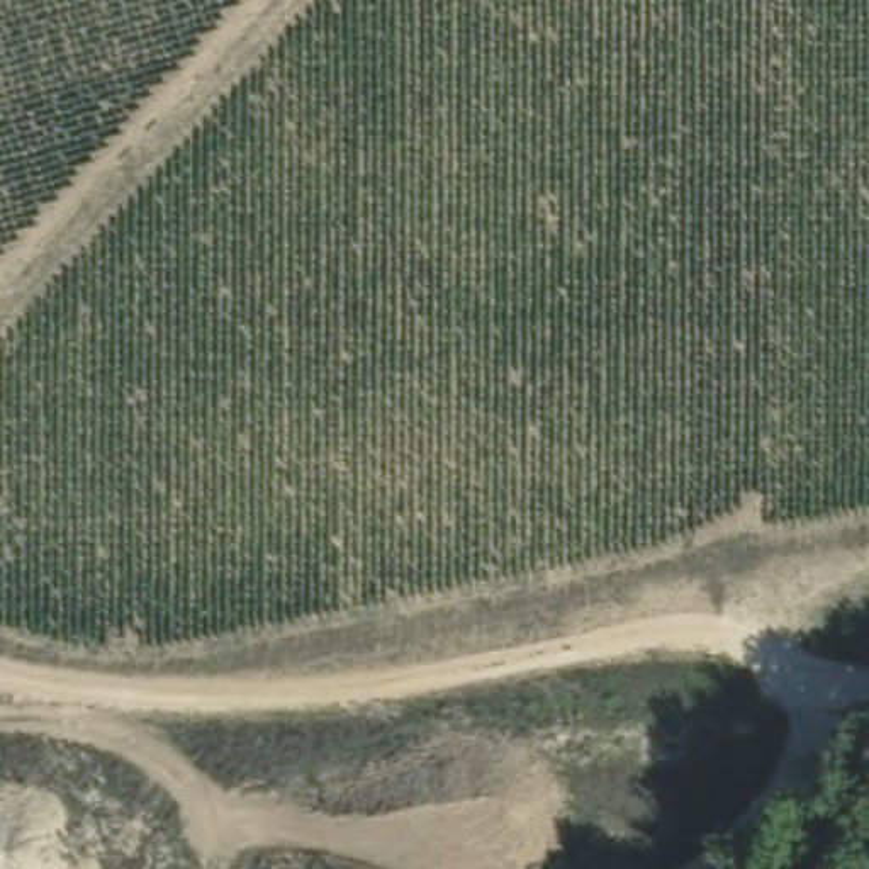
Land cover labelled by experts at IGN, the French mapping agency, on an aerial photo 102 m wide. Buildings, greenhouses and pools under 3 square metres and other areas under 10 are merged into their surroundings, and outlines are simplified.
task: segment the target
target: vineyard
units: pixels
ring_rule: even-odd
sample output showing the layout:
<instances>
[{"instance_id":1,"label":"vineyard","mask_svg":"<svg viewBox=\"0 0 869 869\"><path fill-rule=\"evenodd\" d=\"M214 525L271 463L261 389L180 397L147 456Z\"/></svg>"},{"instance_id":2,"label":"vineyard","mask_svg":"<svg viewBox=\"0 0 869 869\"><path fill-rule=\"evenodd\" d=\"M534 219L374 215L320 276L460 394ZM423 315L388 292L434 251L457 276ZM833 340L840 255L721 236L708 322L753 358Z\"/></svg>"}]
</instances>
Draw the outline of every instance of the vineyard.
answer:
<instances>
[{"instance_id":1,"label":"vineyard","mask_svg":"<svg viewBox=\"0 0 869 869\"><path fill-rule=\"evenodd\" d=\"M143 105L143 98L149 98L149 92L166 75L173 75L197 51L200 37L217 27L221 14L231 10L238 0L0 0L0 255L7 244L17 241L24 227L34 224L44 204L51 204L75 180L78 166L85 166L98 149L105 149L112 136L119 136L119 129Z\"/></svg>"},{"instance_id":2,"label":"vineyard","mask_svg":"<svg viewBox=\"0 0 869 869\"><path fill-rule=\"evenodd\" d=\"M34 635L61 638L71 645L105 645L112 635L129 631L146 645L166 645L217 631L238 631L251 625L282 625L316 611L353 611L356 604L387 601L387 591L411 597L421 591L448 591L465 580L502 580L513 574L536 570L540 560L547 560L550 567L563 567L604 553L659 547L669 536L692 533L713 523L716 516L733 513L747 492L760 496L764 523L818 519L842 509L869 506L869 0L312 0L306 14L295 17L295 24L289 24L278 34L278 41L265 51L261 64L248 71L214 105L204 126L193 129L193 136L166 156L166 163L146 180L146 187L139 187L139 193L98 231L98 238L81 255L75 255L71 265L61 268L61 275L44 289L44 295L37 295L17 319L17 326L7 329L7 336L0 339L0 625L27 628Z\"/></svg>"}]
</instances>

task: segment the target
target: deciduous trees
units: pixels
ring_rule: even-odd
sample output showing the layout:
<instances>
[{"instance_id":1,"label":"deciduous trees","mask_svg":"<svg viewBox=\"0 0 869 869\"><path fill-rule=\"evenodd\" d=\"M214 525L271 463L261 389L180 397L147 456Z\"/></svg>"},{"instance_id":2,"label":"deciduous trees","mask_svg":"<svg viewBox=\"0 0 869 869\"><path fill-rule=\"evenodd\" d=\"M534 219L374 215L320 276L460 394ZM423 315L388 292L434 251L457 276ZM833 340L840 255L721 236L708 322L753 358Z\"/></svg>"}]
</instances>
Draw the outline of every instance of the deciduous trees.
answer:
<instances>
[{"instance_id":1,"label":"deciduous trees","mask_svg":"<svg viewBox=\"0 0 869 869\"><path fill-rule=\"evenodd\" d=\"M767 808L760 808L754 821L737 825L730 821L730 815L706 818L706 825L696 835L703 842L703 869L869 869L869 686L859 686L849 696L849 703L832 716L825 737L798 754L788 784Z\"/></svg>"}]
</instances>

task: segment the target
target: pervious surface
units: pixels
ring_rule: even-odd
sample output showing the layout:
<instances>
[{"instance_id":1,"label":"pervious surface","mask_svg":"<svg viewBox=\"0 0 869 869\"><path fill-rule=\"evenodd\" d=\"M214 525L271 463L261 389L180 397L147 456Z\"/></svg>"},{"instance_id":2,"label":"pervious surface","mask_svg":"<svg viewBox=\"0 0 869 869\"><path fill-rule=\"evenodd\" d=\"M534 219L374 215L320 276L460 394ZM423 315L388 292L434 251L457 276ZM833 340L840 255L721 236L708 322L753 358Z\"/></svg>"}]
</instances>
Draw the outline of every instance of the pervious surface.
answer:
<instances>
[{"instance_id":1,"label":"pervious surface","mask_svg":"<svg viewBox=\"0 0 869 869\"><path fill-rule=\"evenodd\" d=\"M64 845L58 832L64 828L68 811L51 791L0 784L0 869L102 869L95 862L68 866L61 859Z\"/></svg>"},{"instance_id":2,"label":"pervious surface","mask_svg":"<svg viewBox=\"0 0 869 869\"><path fill-rule=\"evenodd\" d=\"M530 869L557 849L557 821L567 791L550 774L550 767L540 764L519 740L506 750L502 764L492 764L485 771L482 798L414 805L387 815L322 815L282 805L275 791L244 794L238 788L214 784L177 747L143 730L143 720L156 709L190 716L244 716L268 709L336 706L350 713L370 699L411 699L567 665L601 665L621 659L638 662L652 648L682 655L723 655L730 662L740 662L747 642L764 635L767 628L747 614L743 604L723 604L723 611L713 611L709 594L699 587L699 580L648 584L635 594L631 604L580 608L567 614L567 635L550 642L526 642L516 648L496 648L421 665L350 669L329 676L98 676L0 659L0 733L78 740L136 764L149 781L173 794L187 842L204 859L227 855L234 862L238 852L258 845L306 845L367 859L390 869Z\"/></svg>"}]
</instances>

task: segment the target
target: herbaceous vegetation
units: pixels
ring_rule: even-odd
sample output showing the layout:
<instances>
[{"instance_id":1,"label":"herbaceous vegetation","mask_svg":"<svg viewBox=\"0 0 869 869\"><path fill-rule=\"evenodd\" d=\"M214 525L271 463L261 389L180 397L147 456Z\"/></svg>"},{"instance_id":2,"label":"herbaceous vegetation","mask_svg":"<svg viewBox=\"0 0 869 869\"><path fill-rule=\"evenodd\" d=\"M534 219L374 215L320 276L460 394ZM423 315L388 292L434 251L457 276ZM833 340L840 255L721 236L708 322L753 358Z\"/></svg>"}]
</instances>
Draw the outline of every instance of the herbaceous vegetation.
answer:
<instances>
[{"instance_id":1,"label":"herbaceous vegetation","mask_svg":"<svg viewBox=\"0 0 869 869\"><path fill-rule=\"evenodd\" d=\"M306 845L258 845L238 852L234 862L227 855L204 859L187 842L173 794L149 781L136 764L78 740L0 733L0 784L51 791L68 811L64 828L58 832L64 845L61 859L68 866L95 862L102 869L390 869L367 859Z\"/></svg>"},{"instance_id":2,"label":"herbaceous vegetation","mask_svg":"<svg viewBox=\"0 0 869 869\"><path fill-rule=\"evenodd\" d=\"M282 625L251 625L238 631L217 631L166 645L146 645L129 631L112 635L105 645L71 645L61 638L34 635L27 628L0 625L0 659L98 676L329 676L350 669L421 665L496 648L516 648L526 642L550 642L567 635L567 614L580 608L631 604L635 594L648 584L699 580L699 587L709 594L713 611L723 611L723 604L743 604L747 614L767 628L764 635L747 642L740 662L730 662L723 655L682 655L652 648L638 662L621 659L601 665L567 665L411 699L370 699L350 713L336 706L268 709L244 716L190 716L156 709L143 720L143 730L177 747L214 784L238 788L244 794L275 791L282 805L322 815L387 815L414 805L482 798L485 771L492 764L502 764L506 750L519 740L540 764L550 767L550 774L567 791L557 821L557 849L530 869L703 869L703 842L696 835L706 825L706 818L730 815L730 821L737 825L754 821L760 808L767 808L788 784L798 754L825 737L832 716L849 703L849 696L859 686L869 686L869 506L842 509L818 519L764 523L760 496L747 492L733 513L716 516L713 523L692 533L669 536L659 547L604 553L563 567L550 567L547 560L540 560L536 570L513 574L502 580L465 580L448 591L421 591L411 597L387 591L387 601L356 604L353 611L316 611Z\"/></svg>"},{"instance_id":3,"label":"herbaceous vegetation","mask_svg":"<svg viewBox=\"0 0 869 869\"><path fill-rule=\"evenodd\" d=\"M200 37L197 51L173 75L166 75L149 92L149 98L143 98L143 105L119 129L119 136L112 136L105 149L98 149L85 166L78 166L75 180L51 204L44 204L34 224L24 227L17 241L7 244L0 255L0 339L7 336L7 329L17 326L17 319L37 295L44 295L44 289L61 275L61 268L71 265L75 255L81 255L98 238L98 231L139 193L139 187L146 187L146 180L166 163L166 156L193 136L193 129L204 126L214 105L248 71L261 64L265 51L278 41L278 34L289 24L295 24L295 17L306 14L312 0L238 0L231 10L221 14L217 27Z\"/></svg>"}]
</instances>

